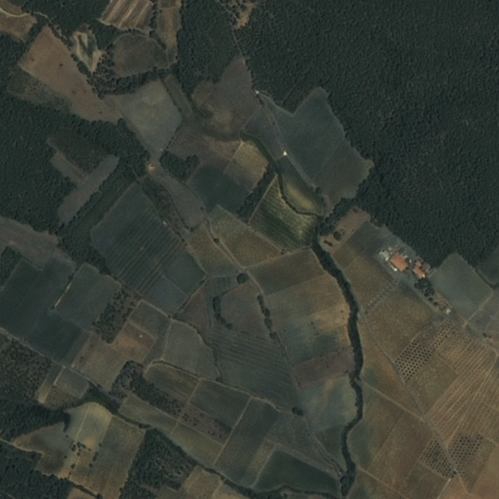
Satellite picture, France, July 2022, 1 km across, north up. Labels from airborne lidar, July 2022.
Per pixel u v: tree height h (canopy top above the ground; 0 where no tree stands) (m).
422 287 8
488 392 0
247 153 0
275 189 0
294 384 0
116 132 8
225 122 0
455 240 12
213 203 0
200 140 0
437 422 0
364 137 10
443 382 0
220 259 0
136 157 9
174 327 0
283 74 9
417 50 8
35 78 0
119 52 0
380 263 0
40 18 10
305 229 0
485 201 9
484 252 10
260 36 11
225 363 0
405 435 0
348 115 14
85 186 0
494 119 8
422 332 0
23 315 0
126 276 0
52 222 12
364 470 0
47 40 0
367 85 8
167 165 11
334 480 0
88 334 0
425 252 7
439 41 10
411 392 0
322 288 0
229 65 8
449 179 9
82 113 0
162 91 0
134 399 0
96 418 0
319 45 9
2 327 0
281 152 0
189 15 9
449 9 9
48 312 0
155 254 0
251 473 0
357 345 8
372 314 0
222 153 0
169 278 0
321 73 7
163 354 0
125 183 6
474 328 0
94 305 0
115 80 15
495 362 0
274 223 0
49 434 0
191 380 0
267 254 0
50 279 0
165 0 0
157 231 0
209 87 0
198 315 0
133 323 0
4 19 0
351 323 8
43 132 10
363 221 0
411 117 12
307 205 0
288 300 0
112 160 0
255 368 0
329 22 11
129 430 0
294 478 0
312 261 0
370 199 12
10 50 8
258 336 0
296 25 8
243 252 0
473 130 8
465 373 0
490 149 7
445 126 9
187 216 0
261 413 0
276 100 10
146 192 6
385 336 0
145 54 0
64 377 0
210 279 0
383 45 6
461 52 10
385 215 11
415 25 10
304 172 0
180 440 0
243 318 0
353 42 7
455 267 0
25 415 12
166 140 0
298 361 0
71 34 11
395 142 10
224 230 0
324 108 0
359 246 0
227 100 0
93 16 17
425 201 11
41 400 0
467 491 0
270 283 0
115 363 0
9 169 11
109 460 0
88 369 0
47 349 0
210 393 0
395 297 0
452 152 10
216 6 9
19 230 0
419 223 14
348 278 0
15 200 10
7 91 11
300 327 0
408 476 0
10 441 7
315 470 0
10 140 10
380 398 0
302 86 9
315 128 0
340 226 0
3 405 14
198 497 0
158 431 7
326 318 0
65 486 17
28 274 0
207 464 0
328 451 0
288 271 0
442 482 0
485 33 6
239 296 0
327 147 0
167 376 0
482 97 10
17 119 10
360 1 11
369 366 0
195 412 0
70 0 14
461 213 11
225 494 0
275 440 0
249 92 0
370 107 8
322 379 0
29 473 15
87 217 6
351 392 0
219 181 0
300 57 13
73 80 0
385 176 15
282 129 0
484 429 0
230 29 7
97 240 0
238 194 0
